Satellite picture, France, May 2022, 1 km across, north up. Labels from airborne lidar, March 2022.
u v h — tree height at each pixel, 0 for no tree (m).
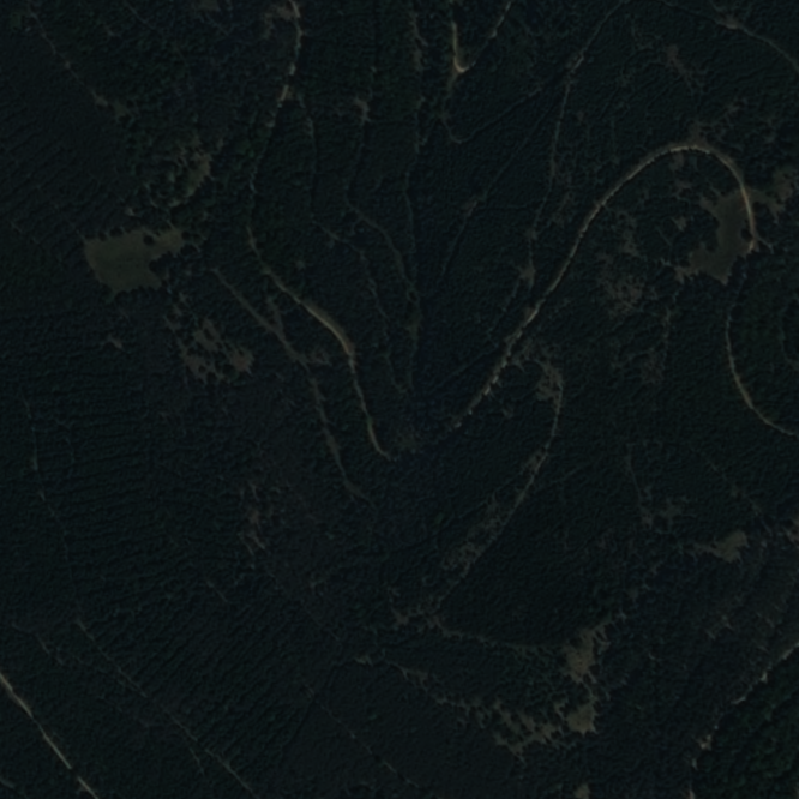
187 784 16
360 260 21
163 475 18
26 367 13
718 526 11
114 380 15
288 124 22
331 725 13
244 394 22
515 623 7
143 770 18
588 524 9
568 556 6
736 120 10
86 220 13
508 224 9
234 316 18
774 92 7
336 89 19
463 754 11
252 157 21
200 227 14
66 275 16
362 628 14
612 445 6
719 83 11
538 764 10
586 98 8
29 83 14
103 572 15
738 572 23
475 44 14
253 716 13
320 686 11
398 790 14
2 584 15
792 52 13
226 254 17
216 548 17
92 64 19
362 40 18
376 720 14
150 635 14
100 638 12
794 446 13
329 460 17
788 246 19
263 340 18
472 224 8
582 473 8
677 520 8
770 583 20
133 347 18
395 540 19
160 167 18
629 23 6
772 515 12
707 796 18
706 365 7
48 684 14
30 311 17
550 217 9
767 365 10
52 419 10
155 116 22
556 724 11
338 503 21
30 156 15
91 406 16
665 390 8
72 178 15
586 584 8
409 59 16
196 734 9
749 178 19
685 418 12
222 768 12
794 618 20
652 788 25
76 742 15
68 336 19
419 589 7
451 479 17
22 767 15
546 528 8
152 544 17
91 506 19
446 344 15
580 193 7
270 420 21
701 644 23
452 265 10
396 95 16
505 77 9
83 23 17
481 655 13
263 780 13
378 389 21
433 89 33
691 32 9
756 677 15
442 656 14
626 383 7
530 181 10
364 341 20
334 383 21
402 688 10
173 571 15
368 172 18
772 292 23
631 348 8
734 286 22
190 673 11
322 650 16
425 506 16
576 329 9
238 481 15
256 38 26
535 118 12
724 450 8
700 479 11
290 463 23
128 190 11
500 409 11
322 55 20
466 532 13
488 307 7
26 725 20
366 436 16
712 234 23
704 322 13
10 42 14
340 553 21
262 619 20
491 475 13
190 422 15
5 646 14
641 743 23
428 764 12
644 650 22
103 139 16
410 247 20
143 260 0
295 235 20
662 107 9
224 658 13
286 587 22
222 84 35
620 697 22
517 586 6
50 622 16
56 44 10
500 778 14
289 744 14
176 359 21
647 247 7
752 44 8
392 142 20
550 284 13
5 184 17
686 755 32
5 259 15
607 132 7
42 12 14
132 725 15
